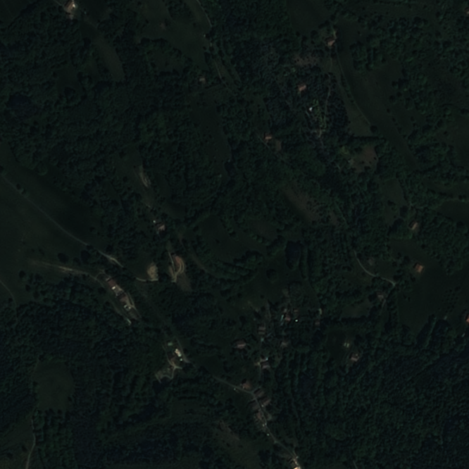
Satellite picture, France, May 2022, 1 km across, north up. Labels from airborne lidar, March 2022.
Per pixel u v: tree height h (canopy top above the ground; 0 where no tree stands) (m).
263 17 19
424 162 19
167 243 19
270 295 0
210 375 16
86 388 18
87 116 17
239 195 19
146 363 8
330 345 0
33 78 17
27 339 16
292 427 11
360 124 0
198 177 21
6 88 26
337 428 22
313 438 25
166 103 15
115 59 0
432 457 26
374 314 15
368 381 19
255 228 0
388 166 17
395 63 0
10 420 17
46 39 16
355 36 0
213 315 22
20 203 0
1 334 19
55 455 22
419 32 18
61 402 0
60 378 0
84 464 24
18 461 0
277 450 22
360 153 15
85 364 18
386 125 0
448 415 11
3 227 0
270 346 12
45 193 0
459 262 19
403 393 19
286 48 11
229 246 0
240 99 12
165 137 20
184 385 9
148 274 0
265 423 0
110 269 22
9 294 0
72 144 22
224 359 21
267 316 0
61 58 25
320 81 10
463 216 0
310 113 16
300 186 6
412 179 15
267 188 26
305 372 7
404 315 0
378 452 11
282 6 18
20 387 14
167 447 13
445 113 13
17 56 24
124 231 22
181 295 8
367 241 19
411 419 14
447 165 16
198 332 24
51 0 7
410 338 15
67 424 23
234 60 12
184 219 0
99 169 24
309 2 0
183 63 16
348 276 0
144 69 13
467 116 11
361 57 15
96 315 16
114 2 28
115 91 21
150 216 0
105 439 26
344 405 14
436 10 0
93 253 11
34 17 22
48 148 22
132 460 22
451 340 12
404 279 13
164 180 0
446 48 16
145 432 8
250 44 12
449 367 19
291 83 9
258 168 27
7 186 0
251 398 0
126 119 16
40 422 15
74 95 22
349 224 13
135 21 8
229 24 25
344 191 14
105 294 16
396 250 0
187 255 8
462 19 8
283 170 25
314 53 8
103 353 14
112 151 11
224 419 34
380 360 10
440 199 15
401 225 17
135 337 23
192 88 10
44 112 22
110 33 6
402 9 0
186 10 9
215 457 15
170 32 0
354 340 0
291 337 16
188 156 14
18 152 26
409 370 24
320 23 0
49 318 18
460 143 0
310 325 9
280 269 0
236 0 23
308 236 9
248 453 0
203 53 0
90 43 17
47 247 0
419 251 0
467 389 13
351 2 0
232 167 24
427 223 15
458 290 9
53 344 20
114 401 19
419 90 13
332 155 19
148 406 8
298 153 26
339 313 6
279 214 20
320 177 15
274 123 11
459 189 0
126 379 28
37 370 0
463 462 22
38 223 0
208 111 0
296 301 7
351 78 0
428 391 9
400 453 27
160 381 0
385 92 0
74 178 24
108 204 20
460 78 19
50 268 0
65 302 18
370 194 18
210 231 0
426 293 0
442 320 0
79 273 0
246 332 5
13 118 27
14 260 0
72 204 0
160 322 9
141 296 10
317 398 22
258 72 11
